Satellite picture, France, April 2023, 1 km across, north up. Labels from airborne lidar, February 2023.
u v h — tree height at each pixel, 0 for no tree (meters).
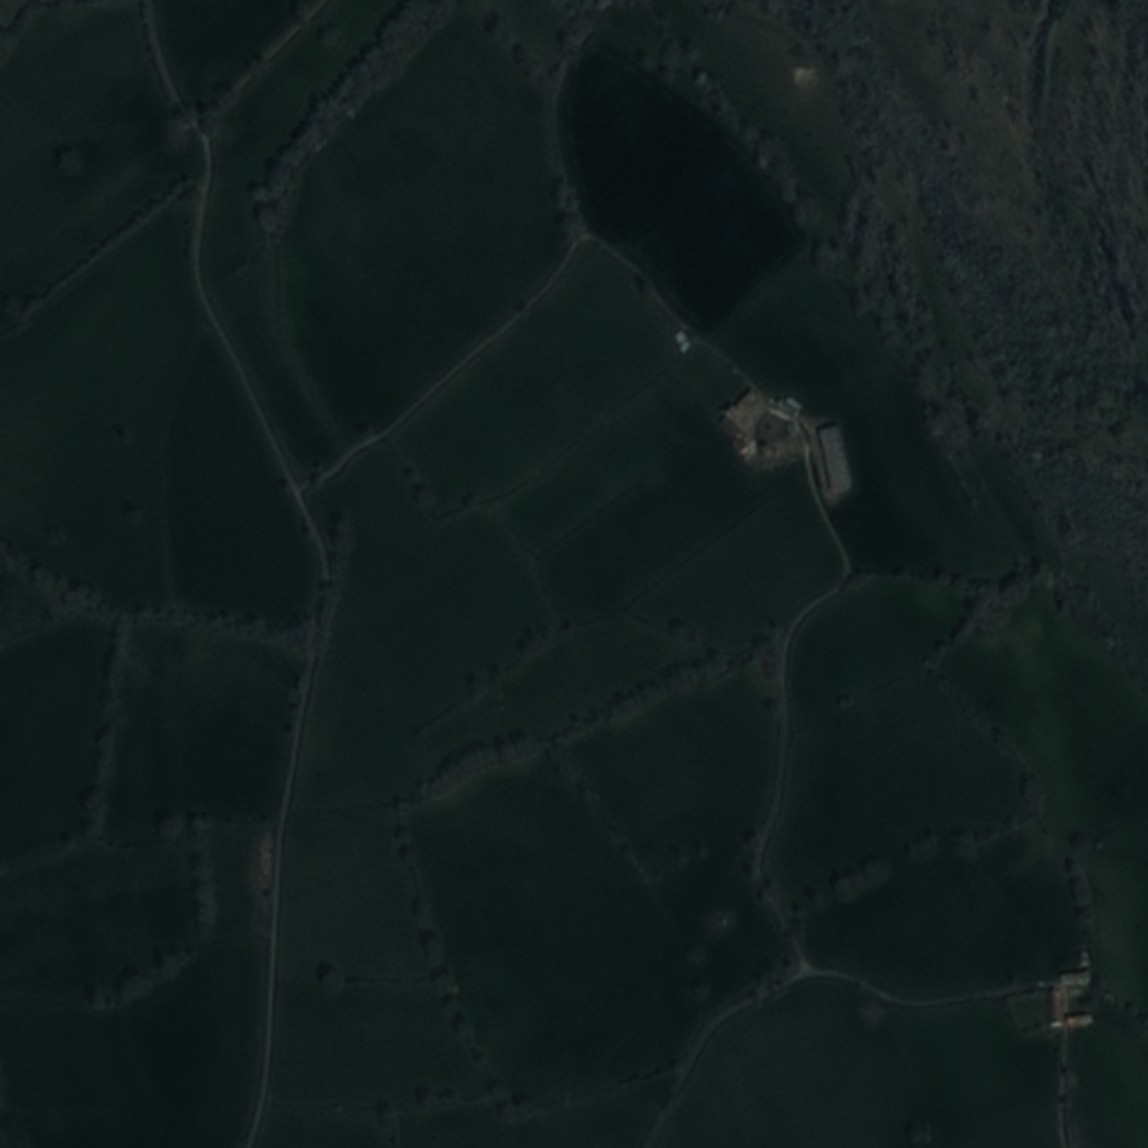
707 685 17
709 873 0
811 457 0
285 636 15
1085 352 13
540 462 0
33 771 0
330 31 9
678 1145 0
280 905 0
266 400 0
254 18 0
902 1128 0
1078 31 0
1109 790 0
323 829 0
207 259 0
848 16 11
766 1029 0
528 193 0
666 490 0
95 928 0
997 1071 0
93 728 0
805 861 0
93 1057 0
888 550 0
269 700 0
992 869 0
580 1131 0
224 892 0
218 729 0
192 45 0
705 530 0
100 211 0
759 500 0
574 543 0
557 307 0
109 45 0
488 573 0
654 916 0
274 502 0
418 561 0
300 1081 0
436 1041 0
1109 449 0
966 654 0
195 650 0
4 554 17
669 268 0
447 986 14
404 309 0
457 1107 10
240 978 0
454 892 0
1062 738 0
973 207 11
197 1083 0
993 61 0
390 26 14
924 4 0
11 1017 0
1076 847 12
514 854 0
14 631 0
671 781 0
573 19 6
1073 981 0
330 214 0
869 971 0
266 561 0
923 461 0
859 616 0
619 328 0
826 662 0
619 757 0
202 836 12
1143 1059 0
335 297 0
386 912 0
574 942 0
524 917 0
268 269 0
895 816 0
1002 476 0
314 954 0
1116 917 0
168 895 0
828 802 0
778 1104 0
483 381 0
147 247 0
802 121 0
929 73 0
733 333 0
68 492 0
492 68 0
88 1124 0
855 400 0
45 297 6
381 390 0
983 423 19
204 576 0
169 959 14
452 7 19
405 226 0
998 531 0
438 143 0
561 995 0
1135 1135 0
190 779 0
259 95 0
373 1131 0
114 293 0
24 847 0
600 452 0
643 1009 0
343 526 14
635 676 0
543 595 0
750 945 0
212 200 0
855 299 11
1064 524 8
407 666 0
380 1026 0
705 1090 0
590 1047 0
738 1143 0
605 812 0
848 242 16
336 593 12
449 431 0
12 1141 0
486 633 0
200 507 0
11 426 0
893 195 0
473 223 0
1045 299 9
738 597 0
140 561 0
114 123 0
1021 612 0
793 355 0
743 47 0
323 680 0
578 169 0
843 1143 0
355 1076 0
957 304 16
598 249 8
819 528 0
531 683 0
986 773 0
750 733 0
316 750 0
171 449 0
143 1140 0
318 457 0
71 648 0
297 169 8
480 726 0
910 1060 0
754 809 0
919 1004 0
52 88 0
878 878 16
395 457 0
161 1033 0
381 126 0
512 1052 0
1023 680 0
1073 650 0
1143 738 0
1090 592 6
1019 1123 0
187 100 0
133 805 0
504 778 0
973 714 9
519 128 0
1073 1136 0
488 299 0
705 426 0
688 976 0
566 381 0
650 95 0
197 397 0
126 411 0
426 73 0
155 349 0
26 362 0
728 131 8
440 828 0
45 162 0
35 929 0
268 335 0
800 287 0
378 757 0
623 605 0
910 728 0
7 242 0
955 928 0
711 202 0
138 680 0
